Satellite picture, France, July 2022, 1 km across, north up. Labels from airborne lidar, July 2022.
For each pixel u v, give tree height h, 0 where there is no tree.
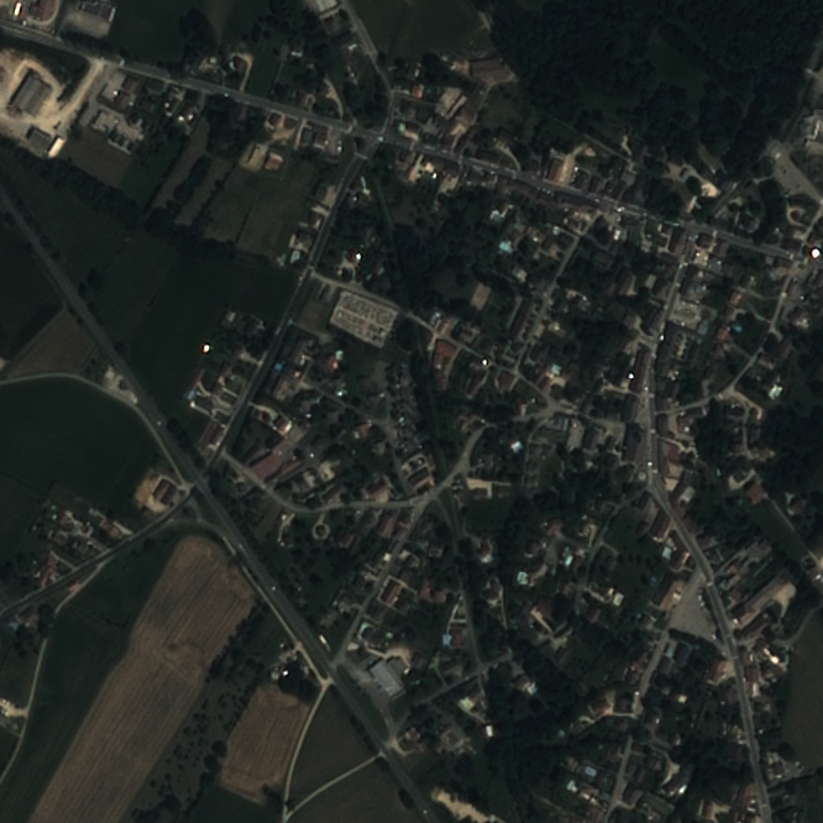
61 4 0
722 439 15
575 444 0
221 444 0
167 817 0
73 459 0
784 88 43
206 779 13
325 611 8
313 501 10
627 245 11
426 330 6
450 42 0
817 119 0
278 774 0
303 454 12
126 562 0
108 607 0
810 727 0
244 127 15
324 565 0
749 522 13
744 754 7
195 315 0
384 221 7
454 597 11
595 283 16
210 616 0
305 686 17
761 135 21
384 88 12
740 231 8
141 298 0
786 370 8
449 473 0
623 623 7
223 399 0
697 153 20
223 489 18
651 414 0
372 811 0
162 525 0
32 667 0
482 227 10
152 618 0
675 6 21
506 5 38
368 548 7
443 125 0
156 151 6
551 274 7
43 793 0
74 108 0
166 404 0
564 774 13
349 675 0
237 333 7
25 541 0
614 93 18
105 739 0
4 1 0
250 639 13
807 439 24
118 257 0
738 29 27
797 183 0
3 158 0
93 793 0
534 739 19
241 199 0
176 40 0
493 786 0
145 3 0
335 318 0
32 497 0
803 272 0
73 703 0
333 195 0
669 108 26
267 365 0
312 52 8
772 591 0
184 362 0
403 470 0
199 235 11
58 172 20
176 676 0
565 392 6
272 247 0
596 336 13
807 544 16
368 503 0
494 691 22
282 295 0
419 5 0
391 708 0
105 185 9
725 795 0
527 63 28
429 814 0
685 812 9
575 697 23
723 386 0
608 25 34
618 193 0
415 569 7
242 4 0
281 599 0
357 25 0
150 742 0
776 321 0
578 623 21
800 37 27
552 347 11
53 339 0
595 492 8
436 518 6
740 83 25
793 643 0
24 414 0
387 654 0
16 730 0
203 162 9
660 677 15
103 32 0
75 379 0
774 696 7
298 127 0
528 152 16
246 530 12
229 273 0
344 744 0
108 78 0
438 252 24
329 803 0
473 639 0
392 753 0
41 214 0
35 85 0
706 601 7
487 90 0
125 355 9
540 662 23
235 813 0
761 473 16
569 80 42
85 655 0
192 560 0
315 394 11
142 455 0
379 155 10
